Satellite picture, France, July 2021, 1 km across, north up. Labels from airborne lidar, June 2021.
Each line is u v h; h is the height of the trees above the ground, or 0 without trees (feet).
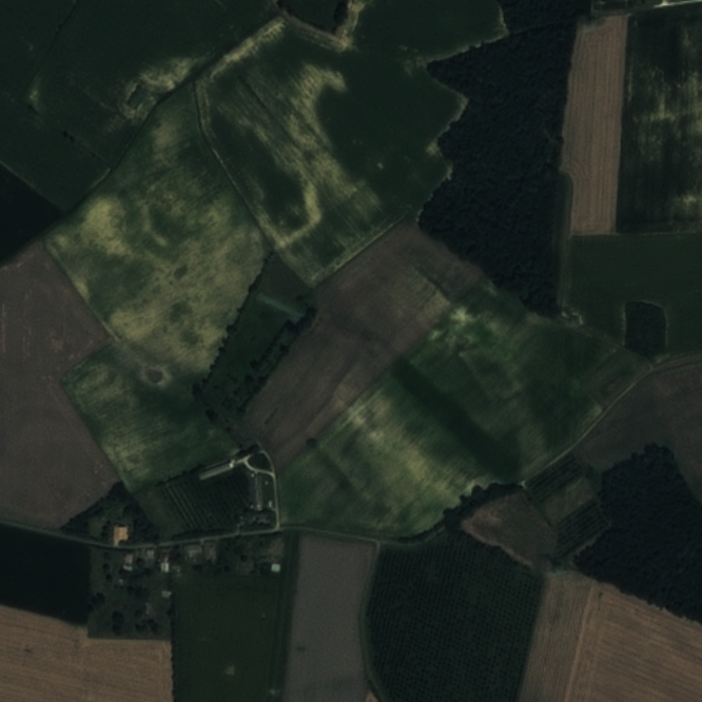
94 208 0
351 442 0
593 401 0
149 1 0
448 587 18
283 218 0
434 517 0
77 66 0
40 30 0
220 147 0
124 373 0
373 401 0
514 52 62
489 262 69
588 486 0
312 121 0
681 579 69
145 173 0
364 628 0
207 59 0
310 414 0
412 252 0
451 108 0
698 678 0
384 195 0
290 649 0
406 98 0
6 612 0
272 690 0
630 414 0
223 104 0
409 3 0
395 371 0
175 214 0
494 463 0
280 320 0
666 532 57
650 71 0
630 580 44
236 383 26
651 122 0
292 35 0
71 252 0
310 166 0
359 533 0
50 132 0
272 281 0
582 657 0
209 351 0
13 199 0
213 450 0
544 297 59
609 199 0
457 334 0
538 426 0
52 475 0
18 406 0
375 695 22
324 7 0
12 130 0
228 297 0
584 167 0
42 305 0
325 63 0
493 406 0
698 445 0
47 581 0
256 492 0
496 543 0
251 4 0
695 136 0
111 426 0
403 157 0
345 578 0
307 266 0
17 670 0
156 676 0
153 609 0
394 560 18
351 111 0
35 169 0
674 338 0
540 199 56
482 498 54
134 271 0
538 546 0
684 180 0
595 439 0
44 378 0
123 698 0
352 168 0
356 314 0
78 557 0
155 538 31
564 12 51
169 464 0
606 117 0
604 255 0
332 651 0
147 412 0
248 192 0
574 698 0
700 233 0
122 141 0
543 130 25
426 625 20
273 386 0
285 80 0
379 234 0
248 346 0
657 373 0
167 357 0
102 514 31
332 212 0
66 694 0
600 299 0
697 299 0
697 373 0
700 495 0
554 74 71
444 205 55
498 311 0
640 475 77
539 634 0
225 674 0
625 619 0
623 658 0
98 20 0
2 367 0
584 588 0
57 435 0
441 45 0
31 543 0
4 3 0
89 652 0
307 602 0
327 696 0
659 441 0
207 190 0
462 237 76
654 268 0
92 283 0
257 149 0
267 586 0
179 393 0
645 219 0
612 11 0
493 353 0
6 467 0
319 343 0
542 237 61
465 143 46
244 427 0
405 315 0
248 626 0
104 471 0
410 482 0
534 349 0
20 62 0
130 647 0
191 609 0
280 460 0
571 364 0
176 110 0
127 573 39
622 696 0
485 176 65
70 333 0
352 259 0
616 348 0
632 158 0
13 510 0
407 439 0
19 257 0
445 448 0
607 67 0
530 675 0
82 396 0
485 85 48
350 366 0
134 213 0
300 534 0
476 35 0
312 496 0
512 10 43
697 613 61
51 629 0
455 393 0
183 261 0
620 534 66
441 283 0
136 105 0
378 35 0
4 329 0
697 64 0
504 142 59
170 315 0
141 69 0
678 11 0
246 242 0
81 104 0
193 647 0
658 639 0
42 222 0
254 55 0
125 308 0
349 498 0
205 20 0
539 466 0
